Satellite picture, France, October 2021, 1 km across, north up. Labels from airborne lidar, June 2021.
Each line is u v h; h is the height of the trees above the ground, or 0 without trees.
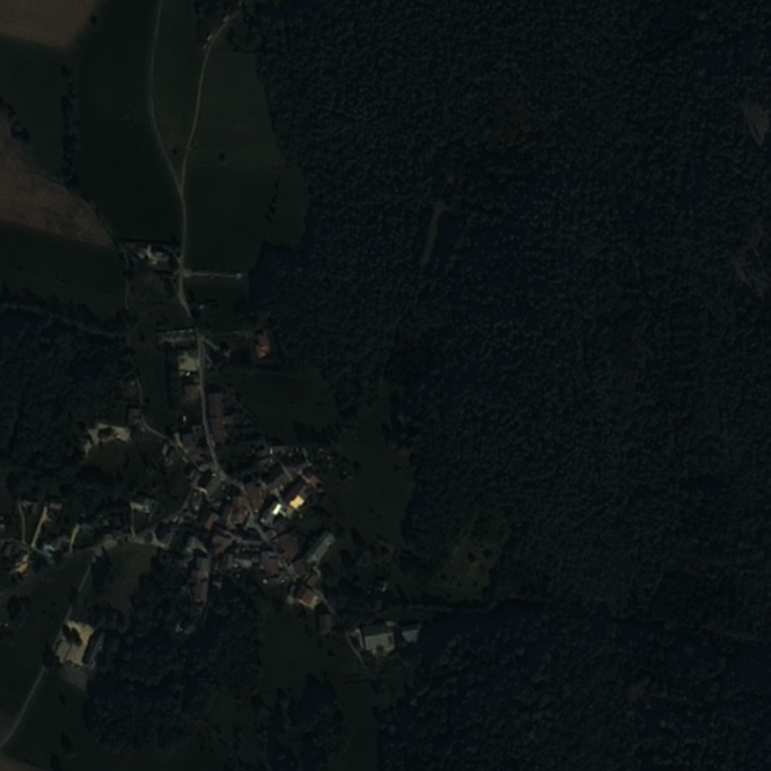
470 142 8
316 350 18
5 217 0
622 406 13
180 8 0
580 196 8
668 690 27
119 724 16
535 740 22
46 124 0
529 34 20
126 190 0
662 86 22
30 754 0
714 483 7
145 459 0
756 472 16
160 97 0
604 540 11
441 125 16
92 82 0
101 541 11
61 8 0
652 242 21
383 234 11
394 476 0
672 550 22
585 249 17
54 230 0
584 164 17
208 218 0
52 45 0
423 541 18
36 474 12
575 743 16
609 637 18
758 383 20
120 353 6
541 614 31
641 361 21
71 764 0
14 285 0
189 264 0
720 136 9
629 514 22
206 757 0
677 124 23
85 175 0
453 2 11
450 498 17
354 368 9
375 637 0
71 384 20
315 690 0
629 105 18
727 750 22
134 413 0
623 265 15
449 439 18
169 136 0
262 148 0
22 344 20
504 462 15
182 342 0
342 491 0
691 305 22
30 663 0
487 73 17
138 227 0
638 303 21
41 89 0
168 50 0
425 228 25
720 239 14
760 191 10
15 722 0
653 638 31
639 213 12
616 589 17
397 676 0
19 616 17
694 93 14
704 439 13
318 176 11
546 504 20
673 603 19
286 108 12
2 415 15
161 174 0
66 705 11
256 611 11
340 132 15
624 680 27
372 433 0
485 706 22
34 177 0
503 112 15
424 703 14
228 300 0
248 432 0
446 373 14
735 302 11
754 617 10
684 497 25
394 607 14
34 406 16
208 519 0
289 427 0
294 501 0
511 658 19
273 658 0
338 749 15
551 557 13
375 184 11
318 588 0
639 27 20
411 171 14
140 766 0
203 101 0
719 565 20
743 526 13
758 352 19
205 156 0
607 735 19
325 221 18
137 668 17
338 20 13
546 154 17
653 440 15
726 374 8
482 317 24
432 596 0
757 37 19
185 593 0
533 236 23
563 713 17
